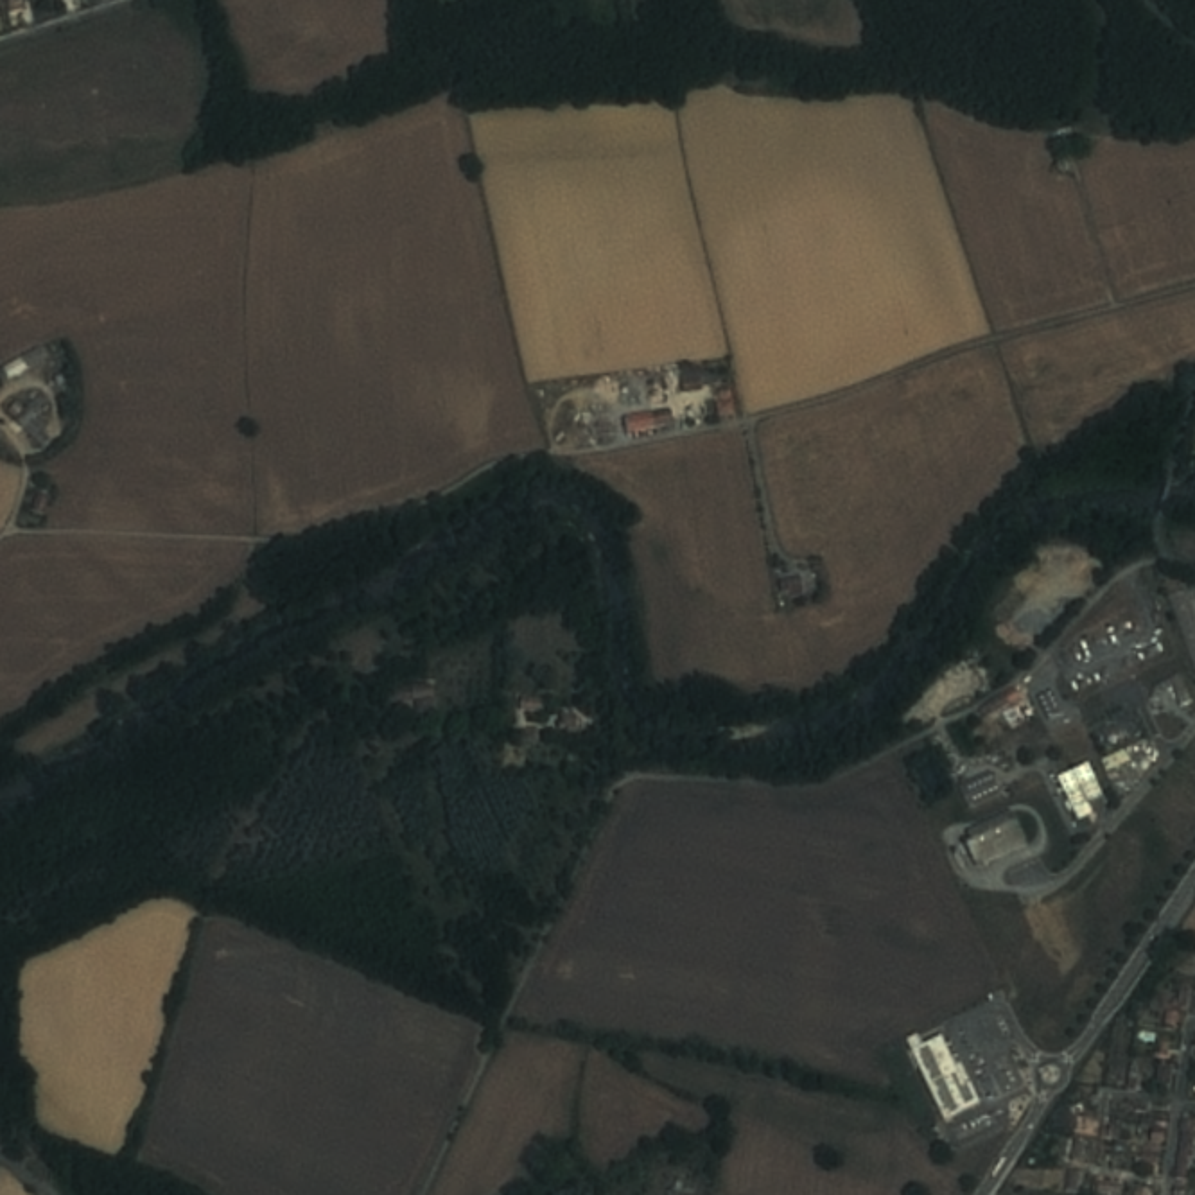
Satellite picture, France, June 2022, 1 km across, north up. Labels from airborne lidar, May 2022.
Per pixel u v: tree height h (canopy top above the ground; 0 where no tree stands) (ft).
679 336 0
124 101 0
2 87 0
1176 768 0
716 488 0
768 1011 0
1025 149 0
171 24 0
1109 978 20
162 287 0
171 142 0
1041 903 0
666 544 0
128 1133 26
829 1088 66
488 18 51
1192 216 0
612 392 0
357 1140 0
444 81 50
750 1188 0
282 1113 0
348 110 51
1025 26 61
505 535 109
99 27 0
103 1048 0
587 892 0
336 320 0
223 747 51
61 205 0
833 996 0
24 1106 50
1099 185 0
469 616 55
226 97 72
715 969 0
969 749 20
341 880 25
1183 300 0
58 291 0
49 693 53
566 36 50
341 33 0
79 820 31
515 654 58
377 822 44
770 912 0
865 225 0
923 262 0
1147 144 40
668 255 0
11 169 0
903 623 46
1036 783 0
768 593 0
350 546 69
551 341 0
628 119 0
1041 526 53
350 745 48
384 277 0
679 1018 0
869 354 0
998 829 0
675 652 0
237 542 0
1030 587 0
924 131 0
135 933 0
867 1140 0
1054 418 0
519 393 0
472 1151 0
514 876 85
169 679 101
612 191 0
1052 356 0
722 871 0
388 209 0
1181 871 32
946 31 44
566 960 0
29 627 0
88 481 0
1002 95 42
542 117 0
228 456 0
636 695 86
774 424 0
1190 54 79
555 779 89
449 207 0
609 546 102
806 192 0
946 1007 0
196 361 0
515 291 0
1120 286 0
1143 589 0
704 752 40
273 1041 0
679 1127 57
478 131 0
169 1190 75
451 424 0
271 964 0
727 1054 78
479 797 55
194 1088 0
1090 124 0
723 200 0
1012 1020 0
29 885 32
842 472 0
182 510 0
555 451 0
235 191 0
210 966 0
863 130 0
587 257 0
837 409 0
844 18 0
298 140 42
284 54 0
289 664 107
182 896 58
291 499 0
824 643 0
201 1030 0
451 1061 0
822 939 0
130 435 0
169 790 50
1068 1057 0
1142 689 0
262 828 39
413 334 0
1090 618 0
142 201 0
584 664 61
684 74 48
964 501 0
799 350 0
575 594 61
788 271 0
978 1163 0
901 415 0
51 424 0
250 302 0
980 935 0
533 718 37
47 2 31
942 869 0
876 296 0
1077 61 66
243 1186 0
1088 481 29
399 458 0
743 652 0
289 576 71
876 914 0
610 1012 0
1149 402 73
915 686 65
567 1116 0
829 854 0
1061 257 0
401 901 32
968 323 0
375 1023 0
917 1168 0
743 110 0
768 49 51
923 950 0
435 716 74
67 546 0
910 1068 0
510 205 0
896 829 0
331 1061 0
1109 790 26
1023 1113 0
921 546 0
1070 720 0
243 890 29
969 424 0
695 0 62
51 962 0
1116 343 0
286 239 0
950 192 0
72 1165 64
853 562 0
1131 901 0
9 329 0
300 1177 0
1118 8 68
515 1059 0
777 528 0
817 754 42
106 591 0
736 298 0
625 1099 0
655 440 0
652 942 0
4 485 0
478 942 43
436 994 77
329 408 0
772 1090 0
